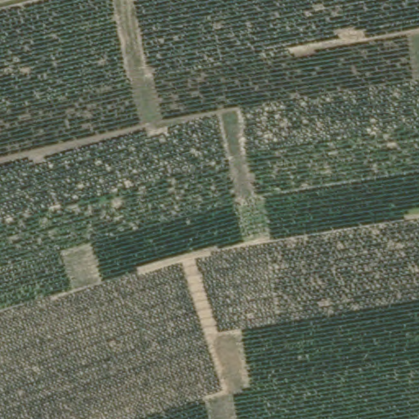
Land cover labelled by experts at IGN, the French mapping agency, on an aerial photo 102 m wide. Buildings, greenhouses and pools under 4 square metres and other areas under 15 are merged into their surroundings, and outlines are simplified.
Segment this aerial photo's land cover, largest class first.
<instances>
[{"label":"vineyard","instance_id":"1","mask_svg":"<svg viewBox=\"0 0 419 419\"><path fill-rule=\"evenodd\" d=\"M0 419H419V0H0Z\"/></svg>","mask_w":419,"mask_h":419}]
</instances>
